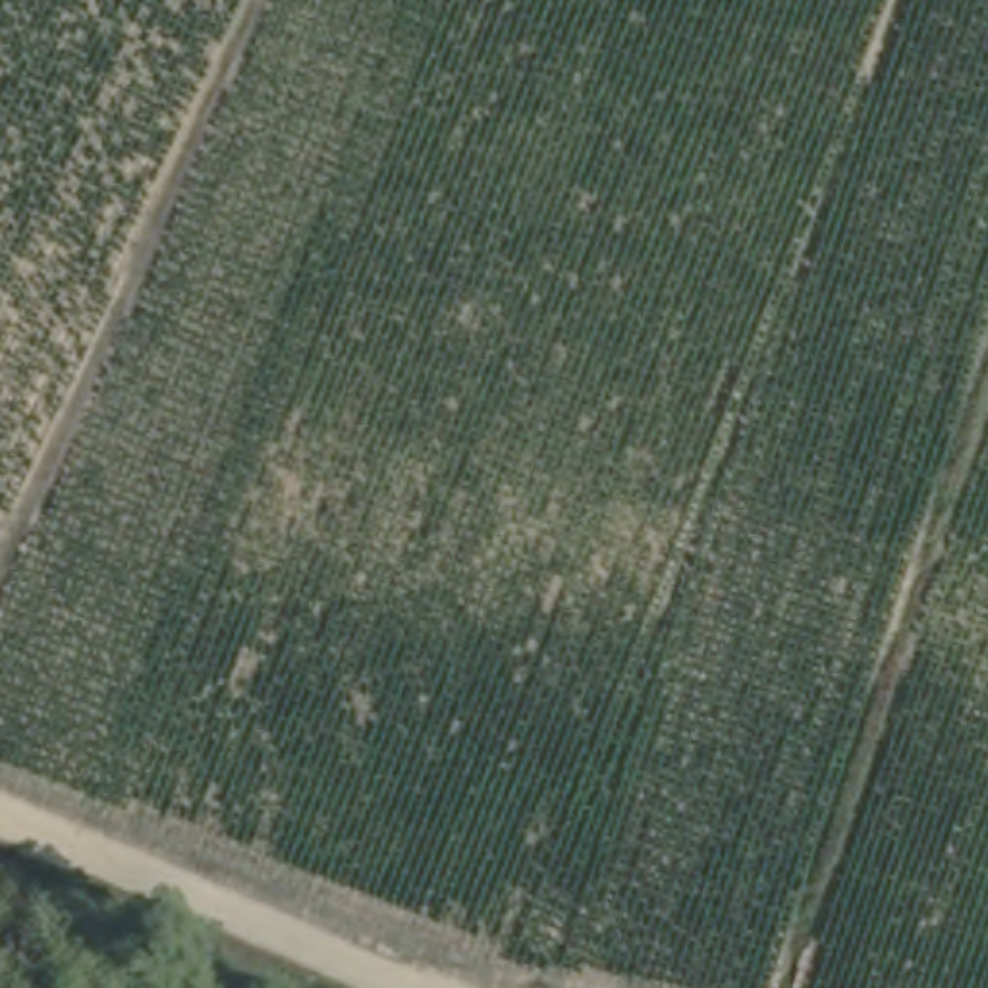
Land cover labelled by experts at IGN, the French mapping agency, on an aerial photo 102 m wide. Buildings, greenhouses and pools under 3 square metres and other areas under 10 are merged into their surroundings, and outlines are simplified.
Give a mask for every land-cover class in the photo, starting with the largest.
<instances>
[{"label":"vineyard","instance_id":"1","mask_svg":"<svg viewBox=\"0 0 988 988\"><path fill-rule=\"evenodd\" d=\"M0 791L31 807L54 810L69 822H81L89 830H100L116 841L158 853L224 888L255 895L293 919H309L359 949H390L401 965L452 973L475 988H988V0H0Z\"/></svg>","mask_w":988,"mask_h":988},{"label":"coniferous trees","instance_id":"2","mask_svg":"<svg viewBox=\"0 0 988 988\"><path fill-rule=\"evenodd\" d=\"M0 988H343L289 957H278L228 934L220 922L205 915H193L185 899L170 888H154L151 895L120 892L93 880L81 868H69L50 849H39L31 841H0Z\"/></svg>","mask_w":988,"mask_h":988},{"label":"impervious surface","instance_id":"3","mask_svg":"<svg viewBox=\"0 0 988 988\"><path fill-rule=\"evenodd\" d=\"M0 841H31L39 849H50L69 868H81L93 880L120 892L151 895L154 888H170L185 899L193 915H205L220 922L228 934L278 957H289L343 988H475L452 973L401 965L390 949H359L309 919H293L255 895L224 888L158 853L116 841L100 830H89L81 822H69L54 810L31 807L0 791Z\"/></svg>","mask_w":988,"mask_h":988}]
</instances>
